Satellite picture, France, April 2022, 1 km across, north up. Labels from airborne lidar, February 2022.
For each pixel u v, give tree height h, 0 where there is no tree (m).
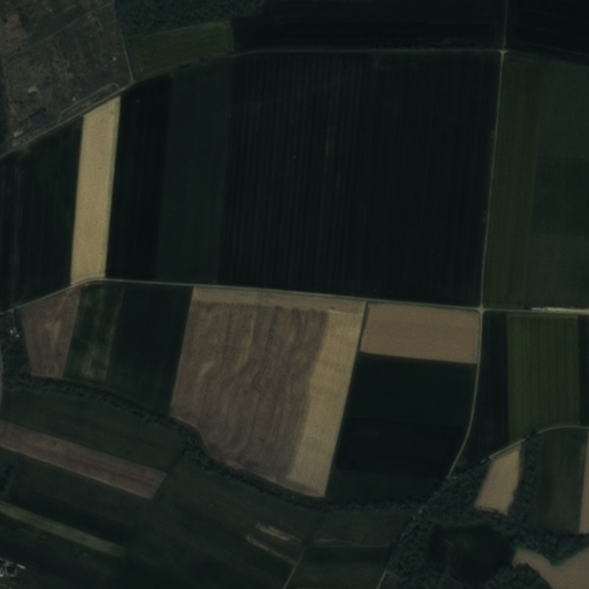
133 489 0
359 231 0
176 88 0
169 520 0
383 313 0
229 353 0
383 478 0
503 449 0
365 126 0
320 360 0
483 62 0
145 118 0
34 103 0
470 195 0
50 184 0
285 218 0
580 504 0
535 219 0
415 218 0
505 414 0
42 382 11
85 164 0
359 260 0
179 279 0
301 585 0
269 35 0
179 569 0
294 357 0
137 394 0
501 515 14
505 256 0
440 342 0
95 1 0
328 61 0
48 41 0
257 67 0
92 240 0
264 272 0
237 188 0
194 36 0
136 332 0
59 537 0
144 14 21
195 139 0
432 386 0
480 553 0
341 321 0
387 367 0
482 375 0
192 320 0
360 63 0
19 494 0
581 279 0
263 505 0
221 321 0
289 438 0
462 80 0
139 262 0
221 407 0
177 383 0
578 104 0
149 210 0
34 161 0
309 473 0
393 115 0
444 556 0
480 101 0
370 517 0
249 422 0
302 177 0
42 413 0
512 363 0
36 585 0
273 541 0
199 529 0
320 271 0
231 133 0
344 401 0
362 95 0
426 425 0
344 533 0
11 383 12
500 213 0
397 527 0
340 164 0
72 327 0
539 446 8
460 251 0
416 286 0
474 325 0
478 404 0
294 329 0
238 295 0
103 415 0
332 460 0
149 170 0
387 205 0
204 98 0
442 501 20
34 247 0
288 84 0
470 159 0
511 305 0
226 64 0
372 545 0
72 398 8
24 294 0
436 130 0
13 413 0
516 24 0
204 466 11
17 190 0
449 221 0
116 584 0
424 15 0
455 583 6
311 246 0
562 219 0
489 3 0
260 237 0
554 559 19
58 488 0
